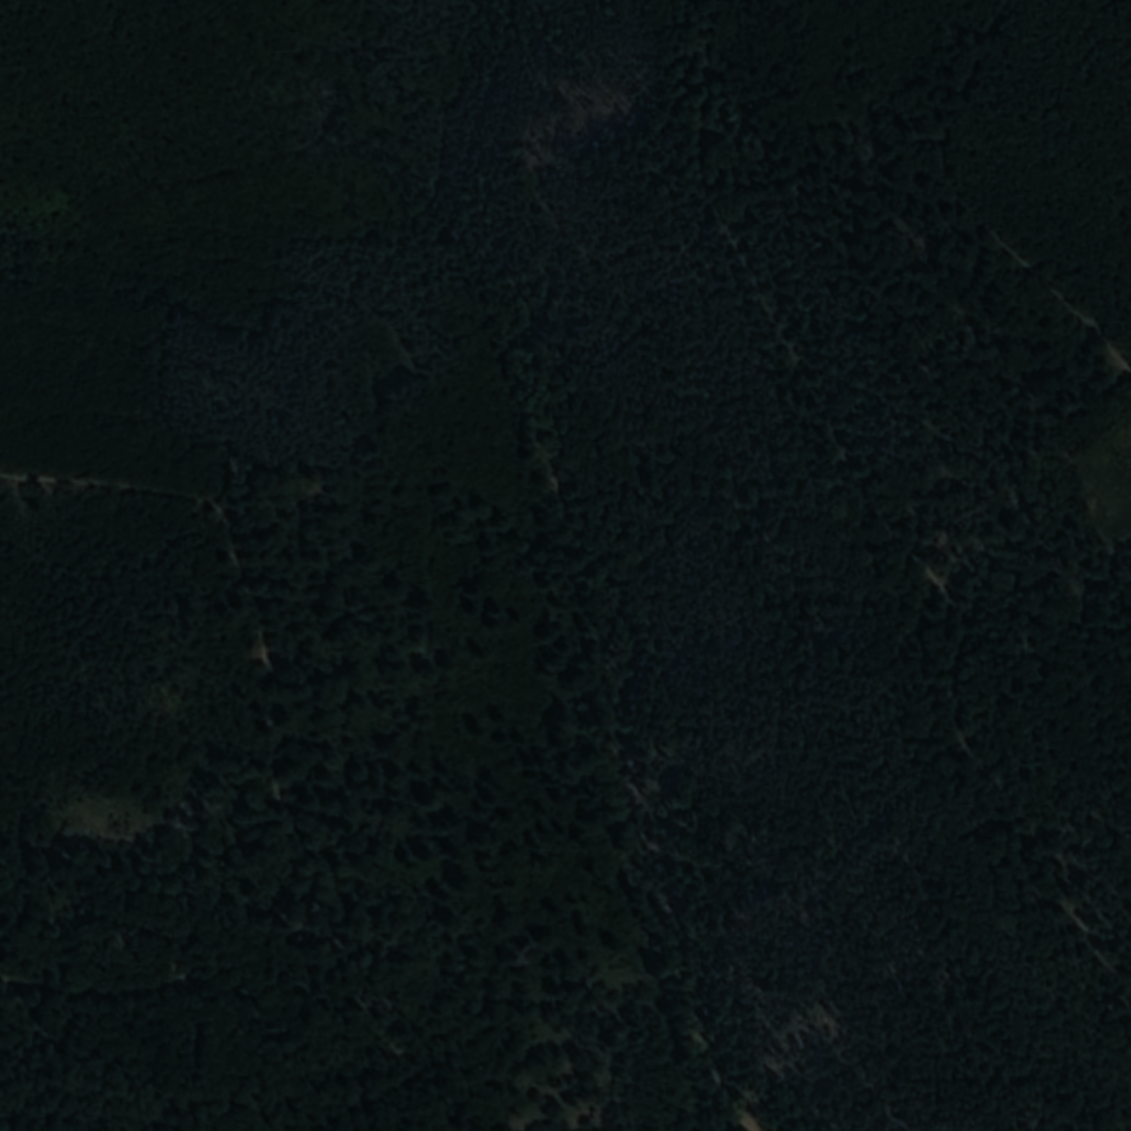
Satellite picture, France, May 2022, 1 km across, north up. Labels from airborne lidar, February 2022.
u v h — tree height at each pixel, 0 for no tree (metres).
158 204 22
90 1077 27
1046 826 26
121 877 28
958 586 23
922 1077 23
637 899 35
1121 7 18
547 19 17
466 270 23
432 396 15
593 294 25
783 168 26
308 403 25
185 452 14
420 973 18
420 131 38
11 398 17
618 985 0
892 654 19
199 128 23
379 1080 26
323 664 29
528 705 8
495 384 11
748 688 27
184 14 22
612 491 30
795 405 27
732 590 17
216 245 19
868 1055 20
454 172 25
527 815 11
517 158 26
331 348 26
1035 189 19
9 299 14
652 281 23
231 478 27
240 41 25
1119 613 25
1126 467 0
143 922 29
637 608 33
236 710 10
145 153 21
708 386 27
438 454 21
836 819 23
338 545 28
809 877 23
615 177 23
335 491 30
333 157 22
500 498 13
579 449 30
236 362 28
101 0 21
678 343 24
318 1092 31
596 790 26
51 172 23
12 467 11
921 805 21
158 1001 28
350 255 23
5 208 21
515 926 28
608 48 23
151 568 13
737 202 26
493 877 31
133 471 15
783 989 25
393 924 30
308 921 34
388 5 34
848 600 24
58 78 24
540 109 26
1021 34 20
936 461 27
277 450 24
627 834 35
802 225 27
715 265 24
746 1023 30
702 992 8
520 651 6
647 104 19
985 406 26
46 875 34
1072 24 15
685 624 25
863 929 25
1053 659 25
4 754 7
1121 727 26
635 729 33
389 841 10
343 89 25
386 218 23
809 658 28
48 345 18
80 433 14
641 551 27
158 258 21
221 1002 32
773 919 27
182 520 7
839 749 23
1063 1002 13
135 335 16
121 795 8
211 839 20
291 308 28
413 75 37
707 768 32
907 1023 18
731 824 31
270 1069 24
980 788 25
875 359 28
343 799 31
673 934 40
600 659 32
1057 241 16
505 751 5
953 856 25
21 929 27
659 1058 16
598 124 23
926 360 27
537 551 30
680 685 30
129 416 13
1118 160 18
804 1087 29
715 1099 36
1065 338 13
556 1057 26
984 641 23
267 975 30
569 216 29
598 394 26
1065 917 26
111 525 7
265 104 22
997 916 19
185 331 24
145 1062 28
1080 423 10
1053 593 28
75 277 17
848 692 28
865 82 12
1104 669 25
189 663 9
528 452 30
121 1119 26
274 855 34
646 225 25
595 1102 15
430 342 23
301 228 26
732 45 16
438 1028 25
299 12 23
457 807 6
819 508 17
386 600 12
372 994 26
